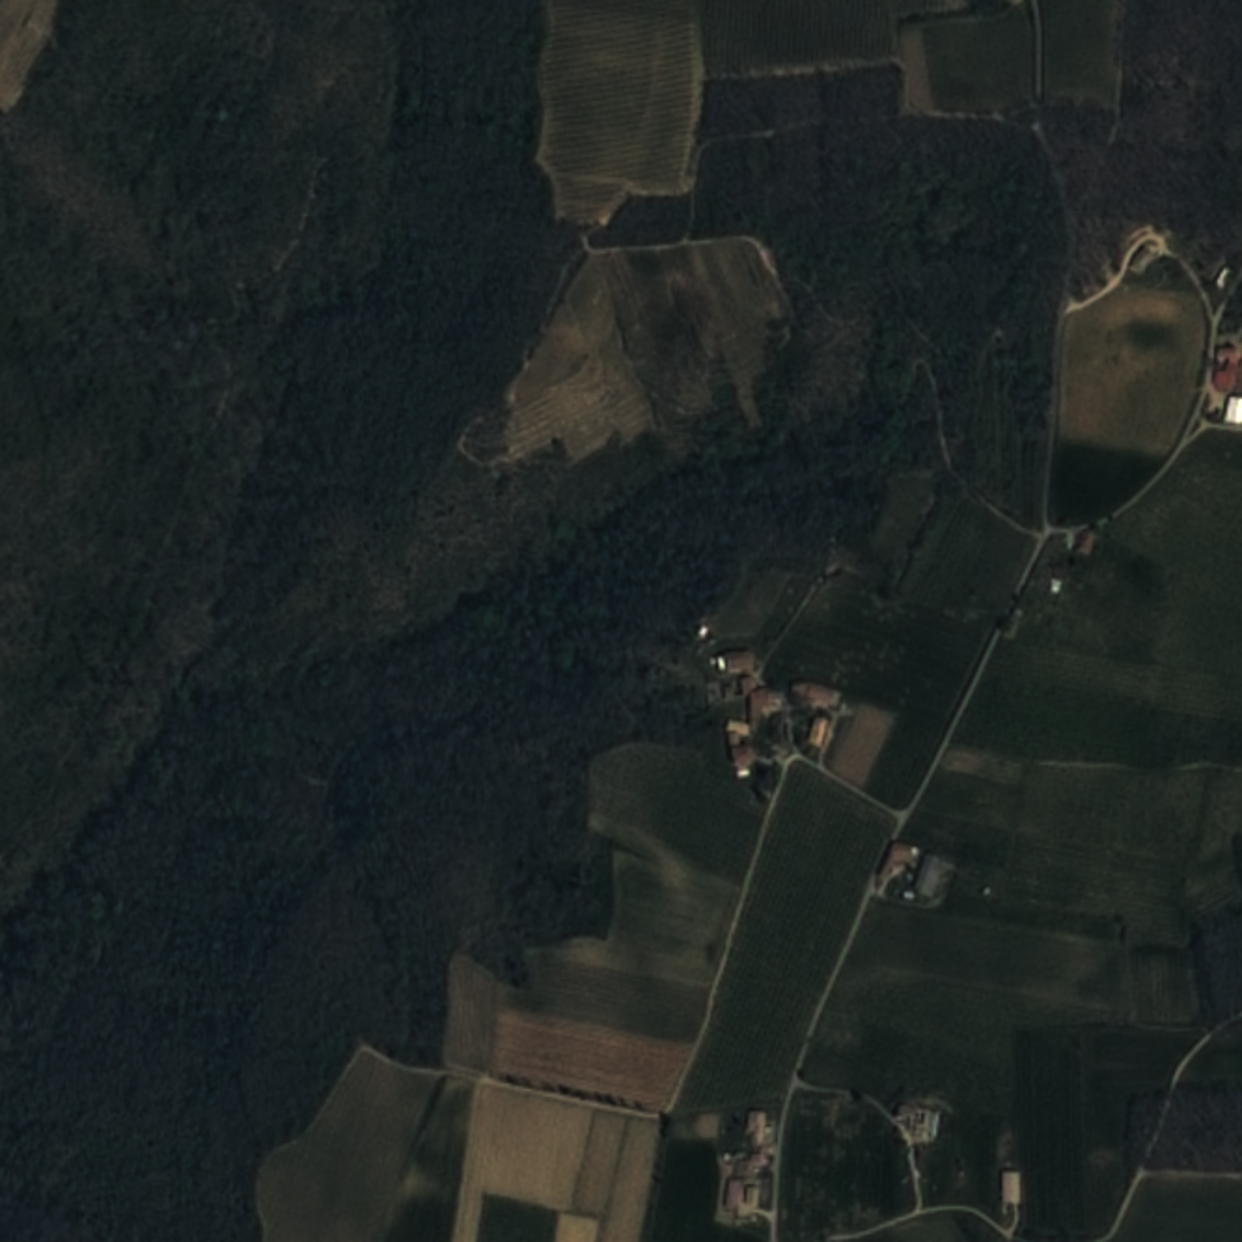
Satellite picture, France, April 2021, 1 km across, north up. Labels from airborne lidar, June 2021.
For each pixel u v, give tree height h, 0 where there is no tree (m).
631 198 8
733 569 13
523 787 10
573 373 0
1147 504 0
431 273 8
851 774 0
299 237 10
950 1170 0
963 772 0
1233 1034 13
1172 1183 0
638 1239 0
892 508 0
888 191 21
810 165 11
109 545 10
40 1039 11
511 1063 0
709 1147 0
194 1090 6
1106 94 0
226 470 29
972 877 0
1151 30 12
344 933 9
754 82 11
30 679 9
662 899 0
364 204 10
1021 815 0
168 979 7
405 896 10
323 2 18
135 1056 11
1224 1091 13
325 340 16
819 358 6
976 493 8
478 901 6
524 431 0
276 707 16
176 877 18
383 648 19
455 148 8
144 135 21
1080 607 0
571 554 30
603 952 0
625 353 0
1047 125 15
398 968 24
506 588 12
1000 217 18
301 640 15
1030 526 0
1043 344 14
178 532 19
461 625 9
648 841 0
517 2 12
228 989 7
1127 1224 0
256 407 24
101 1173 7
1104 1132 0
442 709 8
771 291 0
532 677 10
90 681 17
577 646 25
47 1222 13
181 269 12
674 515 14
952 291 17
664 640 7
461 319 11
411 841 11
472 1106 0
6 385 9
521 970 13
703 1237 0
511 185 9
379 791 19
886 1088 0
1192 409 0
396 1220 0
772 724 8
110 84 15
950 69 0
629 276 0
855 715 0
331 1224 0
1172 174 15
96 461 10
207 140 22
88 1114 7
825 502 8
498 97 11
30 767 17
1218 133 10
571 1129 0
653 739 8
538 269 13
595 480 9
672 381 0
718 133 15
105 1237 18
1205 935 16
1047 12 0
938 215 22
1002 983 0
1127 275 0
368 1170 0
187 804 20
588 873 9
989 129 14
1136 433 0
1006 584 0
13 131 7
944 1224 0
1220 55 21
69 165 12
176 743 25
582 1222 0
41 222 6
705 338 0
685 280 0
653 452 10
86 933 18
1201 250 9
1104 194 16
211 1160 8
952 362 13
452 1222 0
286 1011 8
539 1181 0
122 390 7
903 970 0
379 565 7
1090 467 0
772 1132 0
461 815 10
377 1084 0
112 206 9
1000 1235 0
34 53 0
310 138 15
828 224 19
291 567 10
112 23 9
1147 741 0
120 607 19
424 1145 0
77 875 26
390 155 24
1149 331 0
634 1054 0
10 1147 10
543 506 7
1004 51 0
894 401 13
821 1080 0
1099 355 0
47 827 9
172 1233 7
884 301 22
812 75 7
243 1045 8
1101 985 0
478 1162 0
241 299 14
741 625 0
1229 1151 16
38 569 16
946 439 8
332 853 11
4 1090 7
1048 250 19
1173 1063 0
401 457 7
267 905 6
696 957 0
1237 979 10
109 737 20
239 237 15
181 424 22
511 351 6
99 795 18
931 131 15
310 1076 8
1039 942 0
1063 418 0
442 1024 8
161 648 17
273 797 17
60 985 13
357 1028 6
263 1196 0
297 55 11
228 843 12
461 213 9
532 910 17
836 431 23
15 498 11
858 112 17
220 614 24
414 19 17
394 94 14
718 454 24
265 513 19
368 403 7
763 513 11
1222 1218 0
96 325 21
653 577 15
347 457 17
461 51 8
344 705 10
